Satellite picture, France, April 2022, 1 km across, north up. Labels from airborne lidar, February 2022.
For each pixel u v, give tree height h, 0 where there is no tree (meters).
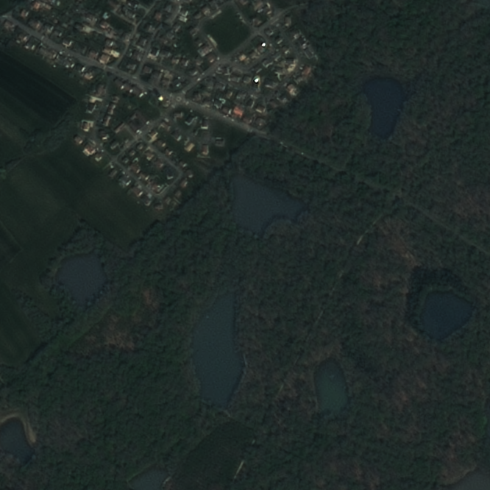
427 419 24
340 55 29
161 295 27
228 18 0
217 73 0
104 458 28
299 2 0
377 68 22
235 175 0
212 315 0
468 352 26
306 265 26
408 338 28
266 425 22
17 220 0
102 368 28
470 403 25
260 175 23
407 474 24
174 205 0
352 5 23
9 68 0
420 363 29
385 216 23
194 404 26
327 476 28
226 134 0
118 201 0
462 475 19
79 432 28
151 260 28
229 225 26
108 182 0
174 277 30
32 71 0
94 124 0
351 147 26
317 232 27
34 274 0
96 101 0
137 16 8
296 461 30
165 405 26
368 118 18
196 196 17
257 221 0
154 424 28
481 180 26
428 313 0
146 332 22
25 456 0
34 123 0
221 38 0
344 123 24
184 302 26
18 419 0
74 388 24
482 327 26
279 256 27
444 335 0
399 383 29
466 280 27
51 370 28
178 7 0
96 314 26
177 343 24
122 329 7
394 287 29
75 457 22
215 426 28
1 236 0
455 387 28
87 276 0
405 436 29
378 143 21
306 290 26
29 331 0
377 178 23
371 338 24
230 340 0
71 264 0
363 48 27
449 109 22
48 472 24
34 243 0
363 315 22
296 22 0
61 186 0
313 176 30
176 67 0
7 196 0
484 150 28
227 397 0
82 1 7
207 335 0
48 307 0
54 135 6
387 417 29
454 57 29
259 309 23
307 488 26
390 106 0
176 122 0
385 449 28
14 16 6
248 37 0
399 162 22
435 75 26
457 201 26
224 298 0
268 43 0
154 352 25
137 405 27
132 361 26
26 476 17
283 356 27
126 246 0
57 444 22
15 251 0
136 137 0
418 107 24
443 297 0
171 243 25
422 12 24
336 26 24
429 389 29
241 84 0
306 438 19
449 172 26
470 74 29
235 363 0
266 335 26
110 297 26
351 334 24
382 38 30
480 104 19
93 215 0
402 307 26
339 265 26
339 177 15
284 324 26
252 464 24
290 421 22
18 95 0
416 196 25
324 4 30
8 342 0
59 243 0
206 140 0
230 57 0
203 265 23
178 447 15
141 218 0
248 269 24
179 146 0
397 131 20
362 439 29
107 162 0
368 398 24
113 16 0
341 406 0
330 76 29
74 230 0
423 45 22
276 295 21
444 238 25
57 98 0
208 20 0
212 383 0
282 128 25
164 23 0
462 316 0
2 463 25
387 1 22
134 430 26
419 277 26
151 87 0
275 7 0
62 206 0
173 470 22
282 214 0
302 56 0
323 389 0
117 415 25
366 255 20
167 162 0
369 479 26
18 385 24
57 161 0
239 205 0
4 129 0
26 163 0
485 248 19
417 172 24
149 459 20
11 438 0
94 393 25
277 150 26
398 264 27
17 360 0
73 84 0
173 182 0
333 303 26
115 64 0
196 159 0
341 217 27
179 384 27
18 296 6
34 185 0
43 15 6
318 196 22
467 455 21
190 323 24
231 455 6
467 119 25
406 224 22
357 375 25
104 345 7
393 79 0
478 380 26
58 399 24
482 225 25
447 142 24
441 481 23
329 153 29
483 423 15
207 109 0
